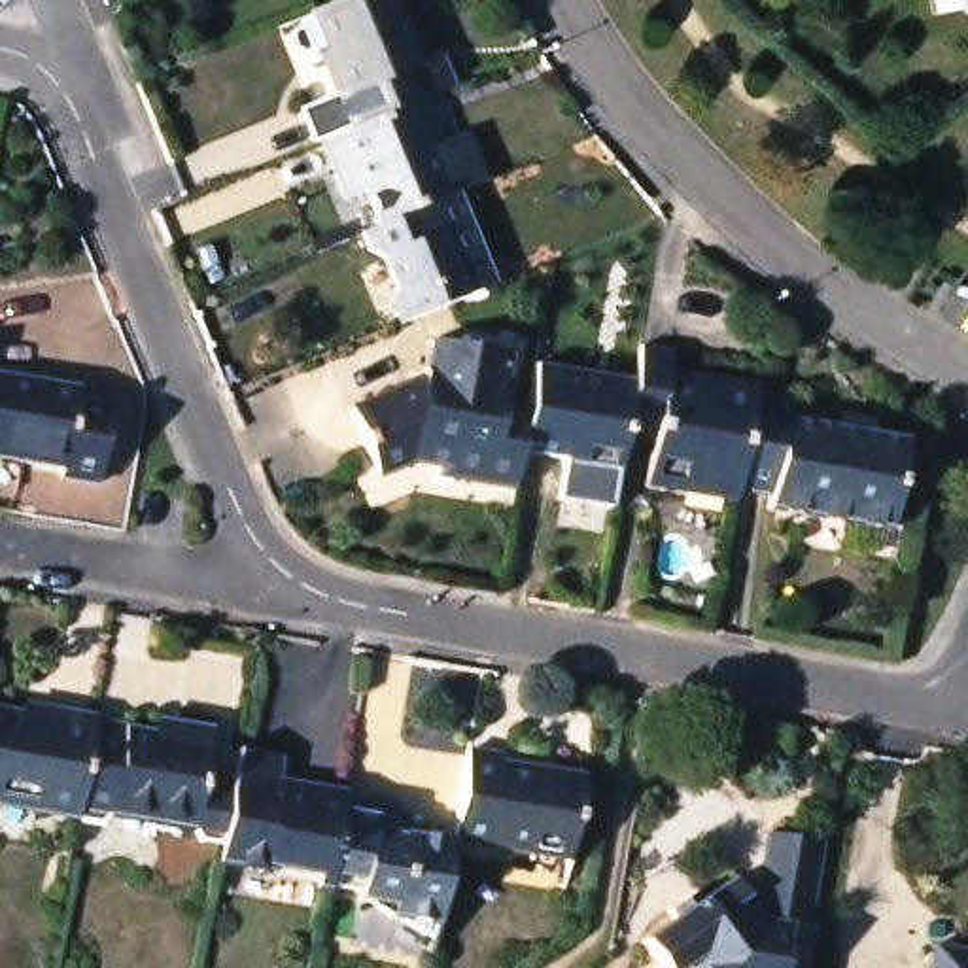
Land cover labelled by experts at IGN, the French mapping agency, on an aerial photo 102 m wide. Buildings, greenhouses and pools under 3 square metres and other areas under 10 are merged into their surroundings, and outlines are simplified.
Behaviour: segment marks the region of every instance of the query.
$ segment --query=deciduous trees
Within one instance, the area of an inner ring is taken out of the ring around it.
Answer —
[[[832,136],[843,125],[824,102],[813,98],[809,106],[775,117],[768,125],[764,151],[779,151],[790,163],[809,159],[813,166],[824,166],[832,155]]]
[[[942,560],[957,571],[968,563],[968,469],[957,465],[945,473],[942,492]]]
[[[715,790],[730,783],[734,756],[745,734],[745,715],[734,707],[726,688],[696,684],[692,673],[681,684],[658,692],[654,734],[666,756],[666,775],[681,771],[696,790]]]
[[[968,873],[968,741],[949,741],[938,756],[908,768],[904,775],[892,847],[896,870],[908,877],[934,877],[949,885]]]
[[[832,189],[821,234],[828,257],[836,257],[866,284],[881,287],[911,284],[919,261],[938,250],[942,234],[930,234],[926,219],[919,216],[919,200],[885,189]]]

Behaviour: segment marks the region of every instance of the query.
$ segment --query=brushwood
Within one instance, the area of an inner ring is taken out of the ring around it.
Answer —
[[[541,722],[529,718],[522,718],[503,737],[514,752],[526,756],[567,756],[575,749],[560,726],[541,730]]]
[[[348,892],[321,892],[306,908],[306,926],[295,934],[291,945],[291,960],[299,960],[303,968],[337,968],[337,960],[344,957],[337,945],[340,926],[352,915]]]
[[[575,949],[590,930],[597,930],[605,911],[613,847],[597,843],[582,862],[575,858],[567,889],[556,889],[552,930],[541,938],[507,938],[488,953],[488,968],[545,968],[567,949]]]
[[[359,548],[355,563],[371,571],[420,575],[431,582],[480,586],[495,594],[514,590],[510,571],[492,575],[488,567],[465,563],[416,563],[416,556],[397,556],[382,548]]]
[[[170,503],[193,503],[197,484],[182,476],[166,431],[132,458],[140,461],[132,488],[136,503],[144,503],[155,492]]]
[[[87,843],[98,832],[91,828],[79,821],[64,821],[53,832],[23,836],[30,843],[30,858],[49,862],[53,851],[72,855],[68,866],[57,873],[57,885],[38,896],[38,968],[102,968],[95,938],[83,934],[83,904],[91,881],[129,881],[136,889],[147,889],[151,896],[166,896],[189,926],[185,968],[204,968],[223,866],[219,858],[204,858],[189,881],[170,881],[163,870],[140,866],[121,855],[91,858]]]
[[[847,889],[832,900],[836,919],[870,911],[873,889]]]
[[[461,0],[458,19],[465,23],[473,49],[480,53],[476,68],[461,83],[499,83],[545,57],[541,42],[533,49],[522,49],[518,38],[533,34],[533,26],[522,15],[514,15],[503,0]]]
[[[737,514],[730,507],[722,507],[707,514],[707,533],[715,537],[711,560],[711,571],[722,571],[730,560]]]
[[[711,348],[703,352],[707,367],[741,367],[760,374],[775,371],[783,382],[794,386],[790,393],[798,401],[813,401],[817,393],[839,386],[839,393],[851,401],[877,401],[900,416],[919,416],[934,427],[945,420],[945,412],[930,397],[930,382],[915,382],[900,371],[889,371],[870,348],[851,344],[836,329],[828,329],[824,340],[805,344],[790,321],[783,321],[764,299],[749,295],[726,268],[718,268],[700,250],[703,242],[692,242],[684,295],[718,295],[718,318],[726,318],[726,325],[734,329],[734,348]]]
[[[367,700],[374,684],[367,654],[352,654],[348,703],[333,768],[337,775],[344,775],[352,764],[367,764]]]
[[[594,688],[579,707],[571,673],[560,669],[556,658],[537,662],[522,681],[522,703],[590,715],[590,752],[601,760],[631,760],[639,775],[666,775],[666,756],[654,734],[658,692],[643,684],[635,703],[620,700],[609,688]]]
[[[813,613],[805,597],[798,597],[809,586],[802,563],[809,548],[809,537],[821,526],[805,522],[783,522],[787,556],[768,567],[768,639],[779,654],[790,650],[794,639],[824,639],[839,650],[870,654],[877,662],[908,658],[904,635],[919,590],[926,529],[926,522],[915,518],[900,526],[900,545],[877,545],[870,529],[855,522],[847,526],[839,548],[843,556],[866,567],[877,567],[885,579],[873,582],[873,590],[855,590],[851,609],[843,609],[839,616],[824,616]]]
[[[231,620],[223,613],[170,609],[166,620],[151,631],[147,650],[163,662],[182,662],[193,650],[238,654],[242,700],[238,707],[231,707],[238,715],[238,730],[250,737],[261,730],[261,711],[268,684],[265,662],[276,658],[276,635],[261,620]]]
[[[873,159],[908,163],[926,147],[942,144],[938,121],[900,106],[866,113],[790,49],[794,38],[809,38],[828,57],[847,49],[851,61],[866,61],[870,53],[877,53],[881,42],[896,42],[904,53],[915,53],[926,42],[926,23],[900,15],[870,19],[870,0],[741,0],[752,11],[756,30],[783,30],[783,45],[775,49],[775,57],[790,76],[805,72],[805,91],[813,98],[824,102],[843,125],[832,136],[832,155],[847,166],[866,166]]]
[[[476,318],[537,318],[537,295],[510,280],[488,287],[488,303],[458,306],[454,325],[458,325]]]
[[[631,824],[628,847],[643,851],[643,843],[666,817],[643,794],[635,809],[624,817]]]
[[[439,533],[424,522],[408,522],[405,545],[427,545],[431,552],[450,548],[450,533]]]
[[[745,798],[783,798],[802,783],[813,783],[813,798],[805,798],[798,813],[787,817],[779,828],[813,836],[828,832],[851,851],[855,824],[870,805],[877,805],[896,771],[889,764],[858,760],[858,749],[851,749],[839,734],[824,745],[821,756],[809,756],[809,749],[798,749],[794,726],[779,726],[779,745],[771,749],[771,756],[737,779],[737,790]]]
[[[575,545],[560,545],[552,552],[552,579],[545,582],[541,597],[613,609],[624,594],[635,601],[631,613],[639,613],[643,620],[752,635],[749,624],[737,624],[737,616],[718,616],[726,582],[711,575],[707,582],[666,579],[666,537],[666,518],[677,514],[684,492],[654,492],[643,484],[639,499],[624,492],[620,507],[613,510],[609,522],[609,567],[582,575]]]
[[[703,881],[730,877],[726,858],[707,836],[692,839],[677,855],[677,870],[688,873],[700,889]]]
[[[185,189],[185,208],[257,174],[284,170],[291,159],[310,155],[310,140],[303,136],[299,144],[272,147],[268,159],[223,170],[216,178],[193,178],[189,170],[189,155],[200,144],[189,110],[166,87],[174,79],[193,87],[189,64],[200,61],[204,49],[197,30],[208,15],[204,0],[117,0],[110,19],[121,42],[132,49],[136,79],[159,110],[159,125],[174,147],[174,166]]]
[[[431,730],[454,730],[454,700],[439,688],[424,688],[408,703],[408,711]]]
[[[30,586],[26,579],[0,579],[0,696],[15,696],[19,688],[30,692],[34,681],[49,677],[61,666],[61,658],[68,658],[64,628],[87,609],[87,601],[83,594],[64,597],[49,586]]]
[[[79,261],[79,250],[68,242],[61,246],[61,227],[68,212],[61,204],[61,193],[53,189],[53,174],[38,144],[4,117],[0,98],[0,280],[30,272],[30,265],[42,272],[68,272]]]

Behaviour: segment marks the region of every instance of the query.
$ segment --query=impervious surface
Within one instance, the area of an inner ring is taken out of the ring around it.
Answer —
[[[548,458],[552,469],[541,480],[541,495],[560,503],[560,526],[605,529],[609,522],[613,510],[601,499],[571,495],[571,454],[560,450]]]
[[[609,163],[609,174],[616,174],[631,189],[631,197],[650,212],[650,219],[662,231],[650,310],[673,333],[696,337],[711,348],[734,348],[734,329],[726,325],[726,318],[718,318],[718,295],[684,295],[692,242],[703,242],[700,250],[718,268],[726,268],[749,295],[764,299],[783,321],[790,321],[805,344],[824,340],[828,329],[836,329],[851,344],[870,348],[889,371],[900,371],[915,382],[930,382],[930,397],[945,412],[945,420],[934,427],[945,454],[957,465],[968,469],[968,268],[945,265],[938,250],[919,261],[911,284],[881,287],[866,284],[836,257],[828,257],[821,234],[794,223],[783,212],[783,204],[764,197],[749,182],[749,174],[734,166],[715,147],[715,140],[658,87],[635,42],[620,34],[613,11],[601,0],[503,0],[514,15],[522,15],[533,26],[533,34],[518,38],[522,49],[533,49],[541,42],[545,57],[499,83],[461,83],[454,87],[454,95],[465,106],[518,91],[537,79],[545,91],[560,91],[563,113],[579,110],[586,117],[590,136],[616,155]]]
[[[223,866],[227,866],[234,832],[227,828],[208,832],[193,821],[136,821],[121,813],[98,813],[91,828],[98,832],[87,843],[91,858],[121,855],[140,866],[163,870],[170,881],[189,881],[204,858],[219,858]]]
[[[707,533],[707,514],[722,507],[722,495],[684,492],[677,514],[666,518],[666,537],[681,533],[711,560],[715,537]]]
[[[23,836],[53,832],[64,821],[64,813],[26,813],[0,802],[0,832]]]
[[[575,858],[571,858],[560,858],[556,870],[533,870],[510,870],[507,885],[556,889],[567,889]]]
[[[242,873],[242,896],[306,908],[321,892],[325,873],[306,866]]]
[[[435,953],[442,926],[431,915],[393,911],[374,892],[374,881],[363,873],[348,881],[348,892],[352,915],[340,926],[337,945],[344,957],[337,960],[337,968],[424,968],[424,957]]]
[[[639,908],[631,911],[628,938],[647,949],[647,968],[677,968],[673,953],[662,945],[662,930],[688,911],[688,904],[703,911],[715,904],[700,889],[688,873],[677,870],[677,855],[692,839],[707,836],[730,821],[756,824],[749,862],[764,866],[771,851],[771,832],[779,828],[787,817],[798,813],[805,798],[813,798],[813,783],[802,783],[783,798],[745,798],[737,790],[737,779],[771,756],[771,749],[779,745],[779,726],[794,726],[798,749],[809,749],[809,756],[821,756],[824,745],[839,734],[851,749],[858,749],[858,760],[889,764],[896,771],[877,805],[870,805],[855,824],[851,851],[843,873],[847,889],[873,889],[870,911],[873,926],[851,949],[847,968],[930,968],[942,945],[930,938],[934,911],[911,896],[908,877],[896,870],[892,847],[904,775],[908,768],[938,756],[949,741],[968,741],[968,563],[957,571],[942,616],[930,624],[930,635],[923,639],[919,654],[908,658],[877,662],[870,654],[839,650],[824,639],[794,639],[790,650],[779,654],[768,639],[752,635],[643,620],[639,613],[631,613],[635,601],[624,594],[613,609],[541,597],[526,594],[522,586],[514,590],[495,594],[480,586],[431,582],[420,575],[371,571],[355,563],[325,556],[287,522],[284,499],[291,480],[333,473],[337,480],[359,484],[371,507],[386,507],[412,492],[473,503],[514,503],[514,488],[450,476],[435,461],[416,461],[389,473],[382,469],[382,435],[359,412],[367,397],[378,397],[412,378],[427,378],[439,337],[454,325],[458,306],[488,303],[488,287],[450,295],[450,306],[442,314],[401,321],[397,337],[371,340],[352,355],[337,355],[314,371],[291,371],[280,386],[253,397],[257,424],[242,420],[231,393],[231,371],[219,363],[208,321],[197,299],[189,295],[185,280],[178,276],[163,208],[170,204],[178,212],[185,231],[208,231],[231,216],[242,216],[284,197],[291,185],[325,182],[333,178],[333,166],[329,151],[321,147],[325,132],[310,113],[337,98],[337,79],[321,61],[321,19],[310,11],[280,26],[284,49],[295,64],[295,79],[280,91],[280,110],[242,132],[200,144],[189,155],[189,170],[193,178],[216,178],[223,170],[268,159],[272,147],[299,144],[303,136],[310,140],[310,155],[291,159],[284,170],[257,174],[185,208],[185,189],[174,166],[174,147],[159,125],[159,110],[136,79],[132,49],[121,42],[110,19],[117,0],[0,0],[0,98],[4,117],[38,144],[53,174],[53,189],[61,193],[61,204],[68,212],[61,227],[61,246],[68,242],[79,250],[79,261],[68,272],[42,272],[30,265],[30,272],[0,280],[0,325],[23,329],[19,344],[8,348],[8,359],[45,355],[113,367],[132,382],[166,378],[166,393],[182,401],[182,412],[166,424],[166,431],[182,476],[197,484],[193,503],[170,503],[155,492],[144,503],[136,503],[132,488],[140,461],[132,458],[117,476],[76,480],[64,465],[0,454],[0,579],[26,579],[30,586],[49,586],[64,597],[83,594],[87,601],[87,609],[64,628],[68,658],[61,658],[61,666],[49,677],[34,681],[30,692],[95,692],[125,703],[231,707],[238,707],[242,700],[238,654],[193,650],[182,662],[163,662],[147,650],[151,631],[166,620],[170,609],[223,613],[231,620],[261,620],[276,635],[276,658],[265,662],[268,684],[261,711],[272,715],[272,730],[303,734],[310,741],[314,764],[333,768],[348,703],[352,654],[367,654],[374,684],[367,700],[367,764],[367,771],[389,783],[431,790],[442,809],[450,809],[461,821],[473,802],[473,756],[503,737],[522,718],[529,718],[541,722],[541,730],[560,726],[575,749],[586,752],[590,752],[590,715],[522,703],[522,681],[537,662],[556,658],[560,669],[571,673],[579,707],[594,688],[609,688],[620,700],[635,703],[643,684],[658,692],[681,684],[692,673],[696,684],[726,688],[734,707],[745,715],[745,734],[734,756],[730,783],[715,790],[696,790],[681,794],[677,813],[666,817],[643,843],[643,851],[658,855],[658,866],[647,870],[647,889]],[[424,688],[439,688],[454,700],[454,730],[431,730],[408,711],[408,703]]]
[[[809,537],[809,548],[839,548],[847,526],[839,514],[824,510],[805,510],[805,522],[821,526]]]

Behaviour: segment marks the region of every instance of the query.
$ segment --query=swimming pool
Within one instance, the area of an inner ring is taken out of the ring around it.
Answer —
[[[711,560],[681,533],[666,537],[666,579],[707,582],[711,575],[711,571]]]

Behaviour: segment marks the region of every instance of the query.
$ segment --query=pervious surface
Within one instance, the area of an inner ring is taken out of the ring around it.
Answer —
[[[628,272],[624,265],[613,265],[605,280],[605,310],[597,333],[601,348],[616,348],[616,337],[624,329],[620,310],[628,306]]]
[[[726,91],[737,106],[775,117],[779,98],[752,95],[745,87],[745,76],[730,76]]]
[[[647,870],[658,866],[658,855],[643,851],[628,847],[631,824],[624,817],[635,809],[643,794],[639,775],[631,760],[601,760],[590,752],[586,752],[586,805],[594,809],[594,817],[571,858],[575,858],[582,862],[597,843],[613,847],[605,911],[597,930],[590,930],[575,949],[567,949],[545,968],[647,968],[647,949],[628,938],[631,911],[639,908],[647,889]]]
[[[684,26],[684,34],[696,45],[711,38],[703,15],[692,8],[696,0],[647,0],[647,23],[666,23],[673,30]]]
[[[726,582],[718,616],[737,616],[756,503],[756,484],[745,480],[741,499],[730,507],[737,514],[730,560],[722,571],[711,571],[711,575]]]

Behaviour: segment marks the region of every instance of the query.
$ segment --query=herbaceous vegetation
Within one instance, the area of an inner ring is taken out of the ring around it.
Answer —
[[[242,873],[227,866],[223,866],[204,968],[303,968],[299,960],[291,960],[291,945],[295,934],[306,926],[306,908],[242,896]]]
[[[242,132],[280,110],[280,91],[295,79],[295,64],[284,49],[280,26],[310,11],[314,4],[329,0],[204,0],[208,15],[197,30],[204,49],[200,61],[189,64],[193,87],[174,79],[166,87],[189,110],[200,144]]]
[[[756,503],[737,616],[737,624],[749,624],[752,635],[768,639],[768,567],[787,556],[783,522]]]
[[[337,197],[325,182],[291,185],[284,197],[242,216],[231,216],[208,231],[185,231],[178,212],[170,204],[163,208],[178,276],[185,280],[189,295],[197,299],[208,321],[219,363],[231,371],[231,393],[242,420],[257,424],[253,397],[280,386],[291,371],[314,371],[337,355],[352,355],[371,340],[397,337],[401,321],[374,310],[363,287],[363,268],[374,253],[363,250],[359,223],[344,223],[337,216]]]
[[[832,155],[824,166],[813,166],[809,159],[790,163],[779,151],[764,151],[768,125],[775,117],[809,106],[813,98],[805,91],[805,72],[790,76],[775,57],[775,49],[783,45],[783,30],[756,30],[752,11],[741,0],[696,0],[692,8],[703,15],[711,38],[696,45],[684,34],[684,26],[673,30],[666,23],[647,23],[647,0],[601,0],[613,11],[620,34],[635,42],[658,87],[715,140],[715,147],[734,166],[749,174],[749,182],[764,197],[783,204],[783,212],[794,223],[821,234],[832,189],[885,189],[919,200],[919,216],[926,219],[930,234],[942,234],[938,250],[945,265],[968,268],[968,0],[870,0],[870,19],[900,15],[926,23],[926,42],[915,53],[904,53],[896,42],[881,42],[877,53],[870,53],[866,61],[851,61],[847,49],[828,57],[809,38],[794,38],[790,49],[866,113],[900,106],[938,121],[942,144],[926,147],[908,163],[873,159],[866,166],[847,166]],[[775,117],[737,106],[726,91],[730,76],[745,76],[745,87],[752,95],[779,98]]]
[[[129,881],[91,881],[83,904],[83,934],[95,938],[102,968],[185,968],[189,926],[166,896],[151,896],[147,889],[136,889]]]
[[[911,896],[934,911],[930,938],[942,945],[968,930],[968,873],[949,885],[934,877],[908,877]]]
[[[30,843],[23,836],[0,832],[0,968],[38,968],[38,896],[57,885],[57,873],[68,866],[72,855],[53,851],[49,862],[30,858]]]
[[[673,333],[650,310],[662,231],[650,219],[650,212],[631,197],[631,189],[616,174],[609,174],[609,163],[616,155],[590,136],[586,117],[579,110],[563,113],[560,91],[545,91],[537,79],[518,91],[465,106],[469,121],[495,121],[510,151],[514,170],[495,178],[495,193],[503,197],[518,242],[529,253],[529,265],[510,280],[537,295],[537,318],[476,318],[458,325],[461,337],[480,337],[484,348],[507,348],[507,359],[529,359],[548,367],[563,355],[567,363],[590,363],[597,371],[628,371],[635,363],[635,344],[650,348],[658,337]],[[620,310],[624,329],[616,337],[616,348],[601,348],[597,333],[605,310],[605,280],[613,265],[624,265],[628,272],[628,306]]]
[[[552,579],[552,552],[560,545],[575,545],[582,575],[609,567],[609,522],[605,529],[560,526],[560,503],[541,495],[541,480],[552,469],[548,458],[529,458],[514,488],[514,503],[473,503],[412,492],[386,507],[371,507],[359,484],[337,480],[333,473],[291,480],[284,499],[287,522],[325,556],[355,563],[359,548],[382,548],[397,556],[416,556],[416,563],[465,563],[488,567],[492,575],[510,571],[514,590],[522,586],[526,594],[541,597],[545,582]],[[424,522],[439,533],[450,533],[450,548],[431,552],[427,545],[405,545],[408,522]]]
[[[514,855],[499,843],[488,843],[484,836],[465,832],[458,839],[458,892],[450,904],[450,919],[442,926],[435,953],[424,957],[424,968],[488,968],[488,953],[507,938],[541,938],[552,930],[556,889],[507,885],[510,870],[533,870],[529,855]]]
[[[813,613],[824,616],[839,616],[843,609],[851,609],[855,590],[873,590],[873,582],[885,579],[877,567],[866,567],[843,556],[839,548],[809,548],[802,563],[809,586],[798,597],[805,597]]]
[[[643,794],[666,817],[677,813],[681,794],[696,790],[681,771],[666,775],[639,775]]]
[[[957,571],[942,560],[942,492],[915,518],[926,522],[926,529],[919,590],[904,635],[908,658],[919,654],[923,639],[930,635],[930,624],[942,616]]]

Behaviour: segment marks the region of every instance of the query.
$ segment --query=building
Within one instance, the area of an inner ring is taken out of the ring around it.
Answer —
[[[458,19],[461,0],[329,0],[314,4],[310,11],[321,19],[321,61],[337,79],[337,98],[310,113],[325,132],[321,147],[329,151],[333,166],[333,178],[325,182],[337,197],[337,216],[344,223],[359,223],[363,250],[374,253],[363,268],[363,287],[374,310],[401,321],[442,314],[450,306],[450,295],[488,287],[510,280],[529,265],[529,253],[518,242],[503,197],[495,193],[495,178],[514,170],[510,151],[495,121],[469,121],[465,106],[454,95],[454,87],[461,83],[476,68],[480,53],[473,49],[465,23]]]
[[[132,382],[113,367],[45,355],[8,359],[8,348],[19,344],[23,329],[0,325],[0,454],[64,465],[76,480],[117,476],[132,458],[166,431],[166,424],[182,412],[182,401],[166,393],[166,378]]]
[[[450,904],[458,892],[458,839],[465,832],[484,836],[488,843],[499,843],[514,855],[529,855],[533,870],[556,870],[560,858],[571,858],[594,817],[594,809],[586,805],[586,752],[575,749],[567,756],[526,756],[514,752],[503,737],[473,756],[473,802],[461,821],[450,809],[442,809],[431,790],[389,783],[367,771],[367,764],[352,764],[344,775],[337,775],[333,768],[314,764],[310,741],[303,734],[272,730],[272,715],[261,711],[261,730],[250,737],[238,730],[238,715],[231,707],[125,703],[95,692],[30,692],[19,688],[15,696],[0,696],[0,802],[26,813],[64,813],[64,821],[79,821],[91,828],[98,813],[121,813],[136,821],[193,821],[208,832],[227,828],[234,832],[227,866],[242,873],[306,866],[325,873],[321,892],[348,892],[348,881],[363,873],[374,881],[374,892],[393,911],[431,915],[442,926],[450,919]]]
[[[367,397],[359,412],[382,435],[382,469],[389,473],[416,461],[435,461],[450,476],[514,488],[529,458],[548,458],[560,450],[571,454],[571,495],[601,499],[613,510],[620,507],[624,492],[639,499],[643,484],[654,492],[684,492],[722,495],[722,507],[730,507],[741,499],[745,480],[756,484],[756,503],[783,522],[805,522],[805,510],[824,510],[839,514],[847,526],[855,522],[870,529],[877,545],[900,545],[900,526],[915,518],[942,492],[945,473],[957,465],[945,454],[934,427],[919,416],[900,416],[877,401],[851,401],[839,393],[839,386],[817,393],[813,401],[798,401],[790,393],[794,386],[783,382],[775,371],[760,374],[741,367],[707,367],[703,352],[711,348],[696,337],[673,333],[658,337],[650,348],[635,344],[635,363],[628,371],[597,371],[590,363],[567,363],[563,355],[548,367],[529,359],[507,359],[507,348],[484,348],[480,337],[461,337],[458,325],[454,325],[439,337],[427,378],[412,378],[378,397]]]
[[[688,911],[662,930],[662,945],[673,953],[677,968],[847,968],[851,949],[873,926],[870,911],[836,919],[832,900],[847,889],[843,873],[851,851],[828,832],[813,836],[779,828],[771,832],[771,851],[764,866],[749,862],[756,824],[730,821],[707,836],[726,858],[730,877],[703,881],[700,889],[715,904],[703,911],[688,904]]]
[[[942,945],[930,968],[968,968],[968,930]]]

